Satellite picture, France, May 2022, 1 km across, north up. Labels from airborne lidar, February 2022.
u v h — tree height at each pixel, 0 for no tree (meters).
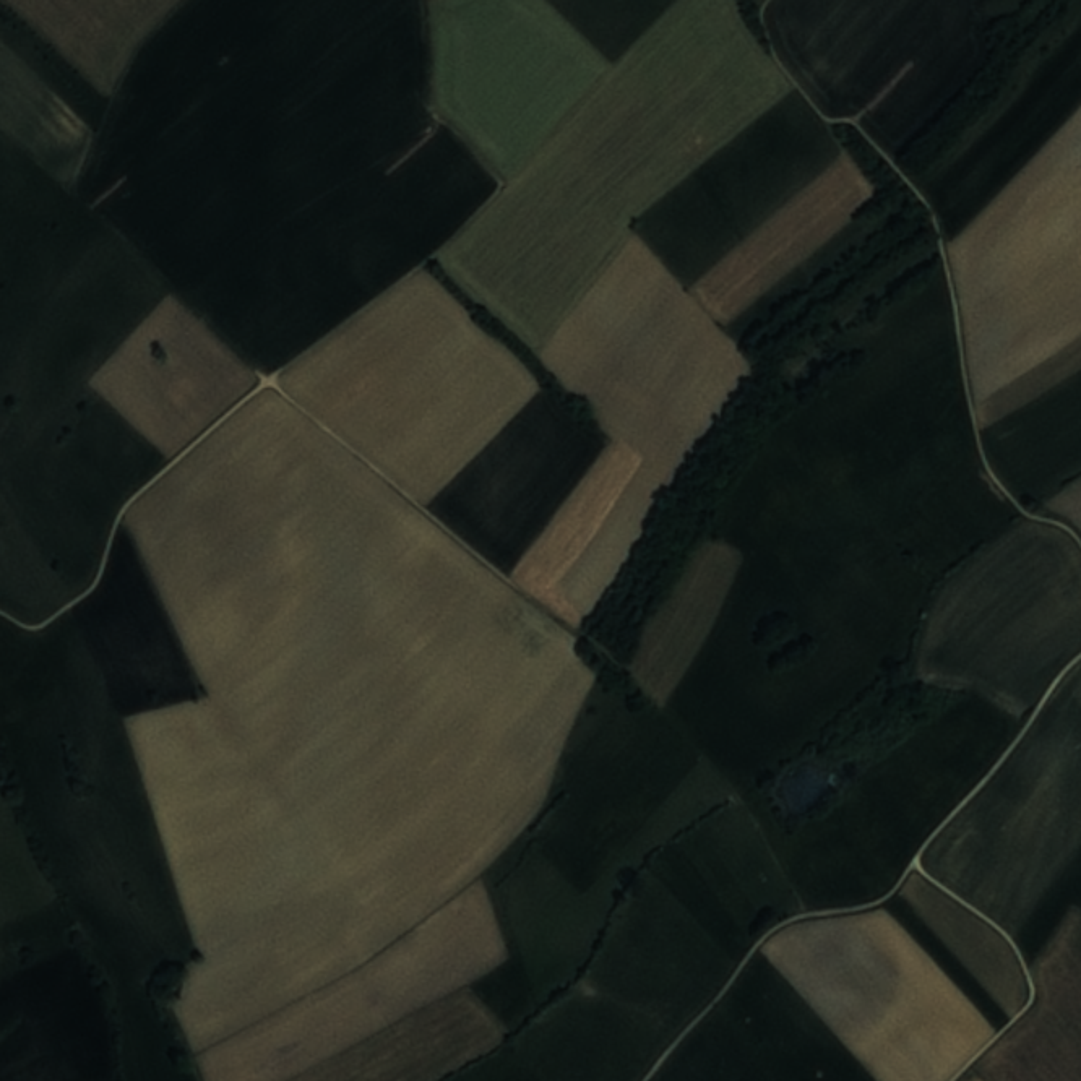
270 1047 0
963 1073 0
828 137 0
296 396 0
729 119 0
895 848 0
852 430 0
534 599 0
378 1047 0
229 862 0
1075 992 0
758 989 0
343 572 0
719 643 0
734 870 0
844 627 0
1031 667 0
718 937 0
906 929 0
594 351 0
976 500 0
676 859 0
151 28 0
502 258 0
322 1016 0
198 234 0
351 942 0
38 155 0
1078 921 0
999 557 0
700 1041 0
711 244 0
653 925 0
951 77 0
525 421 0
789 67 0
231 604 0
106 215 0
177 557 0
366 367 0
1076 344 0
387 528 0
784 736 0
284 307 0
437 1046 0
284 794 0
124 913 0
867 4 0
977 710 0
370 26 0
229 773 0
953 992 0
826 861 0
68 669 0
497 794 0
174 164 0
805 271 0
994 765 0
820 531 0
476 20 0
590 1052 0
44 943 0
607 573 0
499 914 0
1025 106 0
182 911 0
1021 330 0
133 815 0
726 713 0
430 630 0
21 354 0
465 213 0
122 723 0
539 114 0
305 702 0
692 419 0
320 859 0
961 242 0
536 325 0
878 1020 0
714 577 0
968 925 0
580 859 0
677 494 12
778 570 0
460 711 0
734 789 0
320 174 0
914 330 0
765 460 0
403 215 0
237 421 0
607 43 0
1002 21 6
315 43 0
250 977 0
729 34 0
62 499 0
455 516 0
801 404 15
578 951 0
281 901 0
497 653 0
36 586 0
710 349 0
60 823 0
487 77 0
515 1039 6
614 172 0
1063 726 0
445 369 0
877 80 0
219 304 0
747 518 0
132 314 0
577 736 0
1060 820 0
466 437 0
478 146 0
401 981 0
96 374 0
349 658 0
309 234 0
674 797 0
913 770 0
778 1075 0
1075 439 0
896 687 14
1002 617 0
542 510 0
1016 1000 0
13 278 0
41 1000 0
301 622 0
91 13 0
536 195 0
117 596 0
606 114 0
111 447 0
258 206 0
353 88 0
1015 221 0
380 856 0
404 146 0
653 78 0
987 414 0
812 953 0
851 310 0
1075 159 0
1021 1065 0
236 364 0
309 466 0
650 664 0
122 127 0
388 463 0
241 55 0
